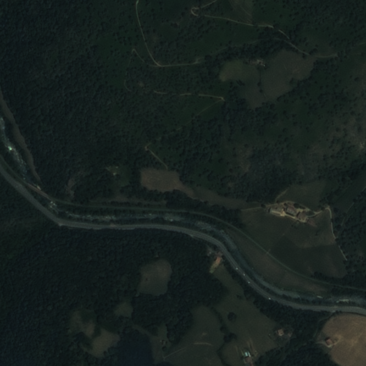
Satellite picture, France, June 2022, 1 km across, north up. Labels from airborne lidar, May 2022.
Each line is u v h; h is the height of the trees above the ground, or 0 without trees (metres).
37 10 26
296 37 11
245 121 20
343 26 9
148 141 11
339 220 12
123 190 17
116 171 0
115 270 17
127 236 18
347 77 0
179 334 22
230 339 14
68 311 15
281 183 14
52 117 17
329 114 10
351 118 0
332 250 0
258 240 0
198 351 0
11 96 29
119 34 12
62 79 21
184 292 22
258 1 7
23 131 15
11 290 17
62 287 21
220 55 13
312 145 0
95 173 16
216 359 0
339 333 0
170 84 9
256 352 0
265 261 0
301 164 0
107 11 8
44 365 14
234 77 0
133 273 19
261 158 12
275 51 13
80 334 14
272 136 0
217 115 0
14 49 16
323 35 0
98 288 20
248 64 11
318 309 0
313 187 0
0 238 18
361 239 11
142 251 17
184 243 20
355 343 0
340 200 0
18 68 21
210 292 18
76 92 7
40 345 25
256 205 0
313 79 11
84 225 0
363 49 0
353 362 0
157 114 17
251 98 0
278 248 0
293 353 25
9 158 20
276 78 0
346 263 15
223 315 0
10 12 17
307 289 0
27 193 0
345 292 17
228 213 21
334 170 16
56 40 18
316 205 0
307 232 0
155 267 0
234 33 8
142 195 15
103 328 0
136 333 22
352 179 18
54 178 17
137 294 19
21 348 29
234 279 10
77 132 15
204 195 0
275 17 0
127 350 18
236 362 0
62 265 19
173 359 0
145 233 12
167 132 15
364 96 11
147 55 0
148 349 15
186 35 8
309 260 0
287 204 11
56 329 19
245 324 0
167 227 0
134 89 11
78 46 15
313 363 20
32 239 17
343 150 9
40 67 16
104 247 20
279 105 0
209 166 0
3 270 10
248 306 0
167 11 0
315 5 16
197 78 9
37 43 12
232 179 14
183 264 17
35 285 20
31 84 22
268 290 15
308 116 10
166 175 0
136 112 14
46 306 21
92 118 15
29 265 26
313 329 9
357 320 0
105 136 18
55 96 14
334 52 0
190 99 0
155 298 9
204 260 22
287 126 0
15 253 18
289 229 0
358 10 14
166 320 29
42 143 16
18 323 19
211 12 12
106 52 0
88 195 22
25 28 14
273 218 0
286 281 0
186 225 11
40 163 25
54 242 20
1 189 26
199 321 0
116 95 10
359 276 20
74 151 15
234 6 0
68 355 19
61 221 0
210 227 0
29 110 16
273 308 20
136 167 13
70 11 17
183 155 17
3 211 20
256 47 15
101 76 11
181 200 19
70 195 9
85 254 21
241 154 0
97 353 0
